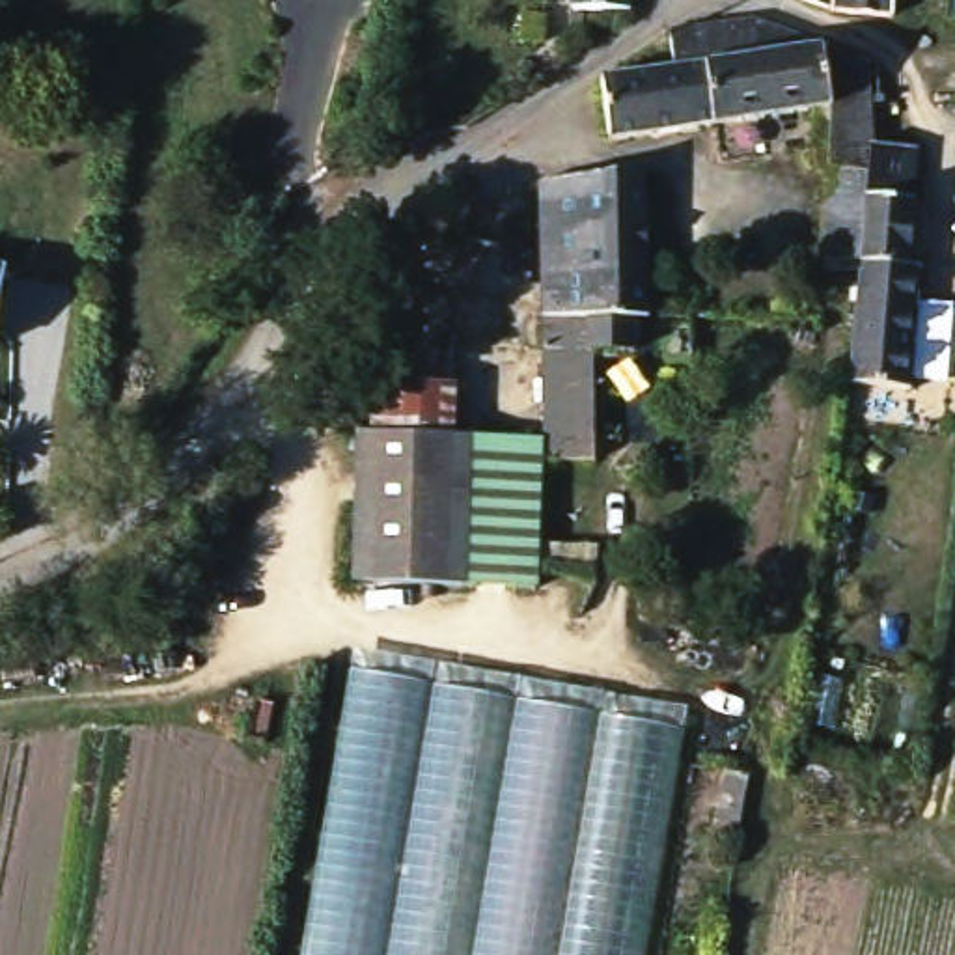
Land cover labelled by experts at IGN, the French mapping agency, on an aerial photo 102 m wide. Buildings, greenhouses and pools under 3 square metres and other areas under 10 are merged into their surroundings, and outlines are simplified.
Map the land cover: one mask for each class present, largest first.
<instances>
[{"label":"herbaceous vegetation","instance_id":"1","mask_svg":"<svg viewBox=\"0 0 955 955\"><path fill-rule=\"evenodd\" d=\"M272 0H0V45L37 41L60 48L67 71L78 78L82 101L93 104L108 123L116 116H131L116 213L104 216V246L112 250V257L104 276L108 295L101 306L104 336L97 339V369L108 388H119V399L127 407H138V399L149 392L183 384L187 366L205 381H220L235 366V354L246 347V336L216 317H187L179 280L187 276V265L198 254H187L168 239V205L153 198V183L164 142L172 134L190 138L198 127L216 123L220 116L250 108L272 112L284 48L276 41ZM560 4V0H414L399 15L403 41L395 52L403 60L395 71V134L407 157H429L436 149H448L459 127L478 112V97L496 82V75L519 82L533 52L545 60L556 56V37H545V7ZM358 63V45L347 26L336 37L328 60V97L339 90V78ZM806 145L798 149V164L817 179V198L824 201L839 187L828 116L821 112V104H810L802 116ZM82 168H52L48 157L41 160L34 149L19 145V138H11L0 127V231L15 239L71 242V231L82 213ZM7 351H15V347L7 343V339H0V414L7 410V407H11V403H22V384H19V381H7ZM653 429L642 414V403L623 399L612 377L593 388L597 451L589 463L563 459L541 470V537H552V556L593 560V545L571 537L593 533L601 522L608 526V533H616L623 522V492H630L627 485L642 459L638 444ZM97 407H71L63 399V388L56 384L52 414L37 418L45 425L41 455L48 459L52 474L48 481H37L30 489L37 496V526H48L67 511H78L86 451L97 444ZM955 448V414L933 418L929 429L873 422L865 470L880 485H888V507L873 515L862 537V563L854 571H836L839 608L832 627L839 642L821 686L810 683V701H817V724L828 731H851L854 739L877 735L895 746L907 742L918 698L907 690L899 660L888 649L899 634L914 630V623H925L933 612L936 560L948 519V451ZM649 455L671 492L709 474V463L701 455H686L679 440L664 436ZM649 537L671 548L675 574L683 582L698 586L705 571L731 567L742 556L750 519L735 515L720 500H701L668 515V522H653ZM690 612H683L679 593H627V638L634 653L660 675V686H653L649 698L686 705V727L679 742L675 791L668 810L645 955H698L694 925L701 907L724 910V955H765L768 918L787 873L854 877L865 884L914 888L925 899L955 903V589L944 649L933 671L929 765L921 780H880L873 791H862L851 787V780L828 765H810L806 772H787L783 780H772L765 772V727L772 724V698L783 694L787 634H765L754 645L731 653L709 642H694V634L686 630ZM321 664V686L306 731L298 828L287 851V873L280 880V921L269 955H302L351 657L347 649H336L328 657H313ZM310 657L287 660L246 679H231L216 690L187 694L179 701H127L108 709H71L67 701H52L19 709L11 716L7 735H34L75 724H201L209 735L220 739L239 735V750L250 761L269 757L276 746L287 713V694H306Z\"/></svg>","mask_w":955,"mask_h":955},{"label":"pervious surface","instance_id":"2","mask_svg":"<svg viewBox=\"0 0 955 955\"><path fill-rule=\"evenodd\" d=\"M832 97L884 90L880 104H888L892 116L907 119L910 127L936 134L944 142V168L955 164V0H899L895 11V19H854L832 26ZM806 145L802 116L761 119L757 131L750 123H739L735 131L701 127L683 142L649 153H627L616 168L619 302L642 306L645 317H612V339L634 354V366L645 381L657 377L660 339L671 336V325L664 313L660 287L653 284L657 254H694V239L705 235L720 239V246L739 261V272L772 269L787 246H798L806 261V284L813 287V306L821 310V321L828 328L843 321L847 287L858 276V257L851 231L824 216V201L817 198V179L798 164V149ZM410 224L418 246L433 257V284L440 295V302L422 313L418 328L425 332L429 351L422 347L407 358V392H422L433 381H448L455 384V422L463 433H537L541 422L530 414L541 407L545 388L537 321H545V310L560 302L537 287V183L533 164L466 157L414 187L395 209ZM869 388L865 418L873 422L929 429L933 418L955 414V377H925L921 384H903L877 373L862 381ZM768 392L772 414L757 422V429L750 433L754 444L742 451L735 485L720 500L735 515L750 519L742 556L757 563L761 574V589L754 593L746 616L761 623L765 634H787L802 619L806 556L813 552L802 537V511L810 507L817 485V455L832 448V436H824V407H802L798 399H791V388L783 381H776ZM317 448L313 466L284 485L261 478V489L242 496L235 507L250 526L228 545V560L213 589V597L220 601V623L209 638L190 642L183 664H164L172 642H142L134 653L97 660L71 657L52 664L48 675L34 668L0 671V713L11 716L19 709L52 701H67L71 709H108L127 701H179L187 694L216 690L231 679H246L287 660L310 657H328L336 649H347L351 657L358 649H373L377 638H399L455 653H478L492 660L541 664L653 686H660V675L634 653L627 638V593L623 586H612L601 608H593L589 616H571L567 589L556 582L548 586L541 597H511L500 578L478 582L470 597L422 601L418 586L366 593L347 597L332 582L336 519L339 504L347 500L354 496V481L347 478L354 470V451L347 444L351 436H336L321 425L306 433Z\"/></svg>","mask_w":955,"mask_h":955},{"label":"building","instance_id":"3","mask_svg":"<svg viewBox=\"0 0 955 955\"><path fill-rule=\"evenodd\" d=\"M560 4L567 11H608L612 0H560ZM869 7L884 4L895 11L899 0H839ZM675 48H649L642 56H630L604 82H589L597 138H612V145L627 153H649L683 142L701 127L735 131L739 123H750L757 131L761 119L802 116L810 104H821V112L828 116L839 187L824 201V216L851 231L858 257V276L847 287L843 321L828 328L832 358L851 354L854 373L862 381L877 373L903 384H921L925 377H955V164L944 168V142L936 134L910 127L907 119L892 116L888 104H880L884 90L832 97V26L810 22L780 7L713 11L679 22L671 30ZM537 287L560 302L545 310V321H537L545 388L541 407L530 414L541 422L537 433H463L455 422V384L448 381H433L422 392H407L395 399V410L369 414V425L351 436L347 444L354 451V470L347 478L354 481V496L347 500L354 507L351 571L366 586V593L418 586L422 601L470 597L478 582L500 578L511 597H541L548 586L537 582L541 537V470L563 459L589 463L597 451L593 388V354L612 339V317H645L642 306L619 302L616 168L548 175L537 183ZM78 254L71 250V242L15 239L0 231V339H7V343L15 347L30 328L48 325L60 310L71 306Z\"/></svg>","mask_w":955,"mask_h":955},{"label":"greenhouse","instance_id":"4","mask_svg":"<svg viewBox=\"0 0 955 955\"><path fill-rule=\"evenodd\" d=\"M653 686L541 664L492 660L478 653H455L399 638H377L373 649H358L351 657L302 955H645L668 810L675 791L679 742L686 727V705L649 698Z\"/></svg>","mask_w":955,"mask_h":955},{"label":"deciduous trees","instance_id":"5","mask_svg":"<svg viewBox=\"0 0 955 955\"><path fill-rule=\"evenodd\" d=\"M108 123L93 104L82 101L78 78L67 71L60 48L37 41L0 45V127L11 138H19V145L34 149L41 160L48 157L52 168H82V134ZM306 164V157L302 145L291 138V123L272 112L250 108L220 116L216 123L198 127L190 138L172 134L164 142L153 183V198L168 205V239L187 254H198L187 265V276L179 280L187 317H216L246 336L265 321L272 306H291L280 257L291 235H298L302 228H317L321 216L310 183H298L295 190L284 187V175ZM694 254H657L653 284L660 287L664 313L671 325V336L660 339L657 377L645 381L634 366V354L612 339L593 354V388L612 377L623 399L642 403V414L653 429L664 436L679 440L690 436L701 414L724 422L739 407L768 392L776 381H783L791 388V399H798L802 407H824L832 395L817 381L832 366V358L828 328L821 321V310L813 306V287L806 284V261L798 246H787L772 269L739 272V261L720 246V239L705 235L694 239ZM119 388H108L97 407V444L86 451L78 511L82 519L104 522H116L131 507L138 511L134 530L123 533L108 556H138L153 571L138 601L153 616L157 630L172 634V642L164 664H183L190 642L209 638L220 623V601L213 597V589L228 560V545L250 526L235 507L242 496L224 492L216 478H209L205 489L194 492L179 466H168L160 474L149 455V440L134 433L138 407H127L119 399ZM653 522H623L616 533L608 548L612 586H623L627 593H679L683 612H690L686 630L694 634V642H709L731 653L754 645L765 634L761 623L746 616L754 593L761 589V574L757 563L742 556L731 567L705 571L698 586L683 582L675 574L671 548L649 537Z\"/></svg>","mask_w":955,"mask_h":955},{"label":"brushwood","instance_id":"6","mask_svg":"<svg viewBox=\"0 0 955 955\"><path fill-rule=\"evenodd\" d=\"M414 0H366L362 15L347 26L358 45V63L339 78V90L328 97L325 164L332 175H377L381 168H395L407 157L395 134V71L403 60L395 52L403 41L399 15ZM131 116H116L108 123L82 134V213L71 231V250L78 254L71 306L56 384L63 388V399L71 407H97L108 388L97 369V339L104 336L101 306L108 295L104 276L112 257V250L104 246V216L116 213ZM832 395L824 407V436H832V448L817 455V485L810 507L802 511V537L813 552L806 556L802 619L787 634L783 694L772 698V724L765 727V772L772 780H783L787 772H806L810 765H828L851 780V787L862 791H873L880 780H921L929 765L933 671L944 649L955 589V448L948 451V519L936 560L933 612L925 623H914V630L899 634L888 649L899 660L907 690L918 698L907 742L895 746L877 735L854 739L851 731H828L817 724V701H810V683L821 686L839 642L832 627L839 608L836 571H854L862 563V537L873 515L888 507V485H880L865 470L873 422L865 418L869 388L854 373L851 354L832 358V366L817 381ZM772 414L768 392L739 407L724 422L701 414L690 436L679 440L686 455H701L709 463V474L671 492L649 455L664 436L653 429L638 444L642 459L627 485L630 492H623V522H668V515L701 500H720L735 485L742 451L754 444L750 433L757 429V422ZM354 507L347 500L339 504L336 519L332 582L347 597L366 593V586L351 571ZM593 545V560L552 556V537H541L537 582L548 586L556 582L567 589L571 616H589L593 608H601L612 586L608 548L616 533H608V526L601 522L593 533L571 537ZM153 571L138 556H75L63 563V571L45 574L37 582H22L0 597V671L34 668L48 675L52 664L71 657L97 660L134 653L142 642H172V634L157 630L153 616L138 601ZM321 686V664L313 657H310L306 694H287V713L276 746L280 776L269 810V843L257 892L261 899L250 921L254 940H246V955H269L280 921V880L287 873V851L298 828L306 731ZM698 955H724V910L701 907L694 925Z\"/></svg>","mask_w":955,"mask_h":955},{"label":"agricultural land","instance_id":"7","mask_svg":"<svg viewBox=\"0 0 955 955\"><path fill-rule=\"evenodd\" d=\"M11 716L0 713V955H246V940H254L250 921L261 899L257 892L269 843V810L280 776L276 746L269 757L250 761L239 750V735L220 739L209 735L201 724H75L34 735H7ZM765 955H955V903L925 899L914 888L865 884L854 877L787 873L768 918Z\"/></svg>","mask_w":955,"mask_h":955},{"label":"impervious surface","instance_id":"8","mask_svg":"<svg viewBox=\"0 0 955 955\"><path fill-rule=\"evenodd\" d=\"M366 0H272L276 41L284 48L272 112L291 123V138L302 145L306 157V164L284 175V187L295 190L298 183H310L321 216L343 213L351 198L362 194H373L388 201V209H395L414 187L466 157L533 164L537 183L548 175L616 168L627 153L612 145V138H597L589 82H604L630 56H642L649 48H675L671 30L679 22L713 11L780 7L810 22L832 26L854 19H895V11L884 4L869 7L839 0H612L608 11H567L560 4L545 7V37H556V56L545 60L533 52L519 82L496 75V82L478 97V112L459 127L448 149H436L429 157H407L395 168H381L377 175H332L325 164L328 97V60L336 37L347 26L362 15ZM71 306L60 310L48 325L30 328L15 347V351H7V381H19V384H22V403H11V407H7V410L0 414V597L22 582H37L45 574L63 571V563L75 556H108L123 533L134 530L138 511L131 507L116 522H104L82 519L78 511H67L48 526H37V496L30 489L37 481H48L52 474L48 459L41 455L45 425L37 418L52 414L56 384ZM284 347V332L272 321H265L246 336V347L235 354V366L220 381H205L187 366L183 384L149 392L138 399V407L134 433L149 440V455L160 474L168 466H179L194 492L205 489L209 478H216L224 492L242 496L261 489V478L284 485L313 466L317 448L306 433H280L265 418L254 377L269 369L272 351Z\"/></svg>","mask_w":955,"mask_h":955},{"label":"coniferous trees","instance_id":"9","mask_svg":"<svg viewBox=\"0 0 955 955\"><path fill-rule=\"evenodd\" d=\"M291 306H272L265 321H272L284 332V347L272 351L269 369L254 377L265 418L280 433H306L321 425L336 436H351L369 425V414L395 410V399L407 392V358L422 347L429 351L425 332L418 328L422 313L440 302V295L433 284V257L418 246L410 224L395 209H388V201L373 194H362L351 198L343 213L321 216L317 228H302L298 235H291L280 257Z\"/></svg>","mask_w":955,"mask_h":955}]
</instances>
